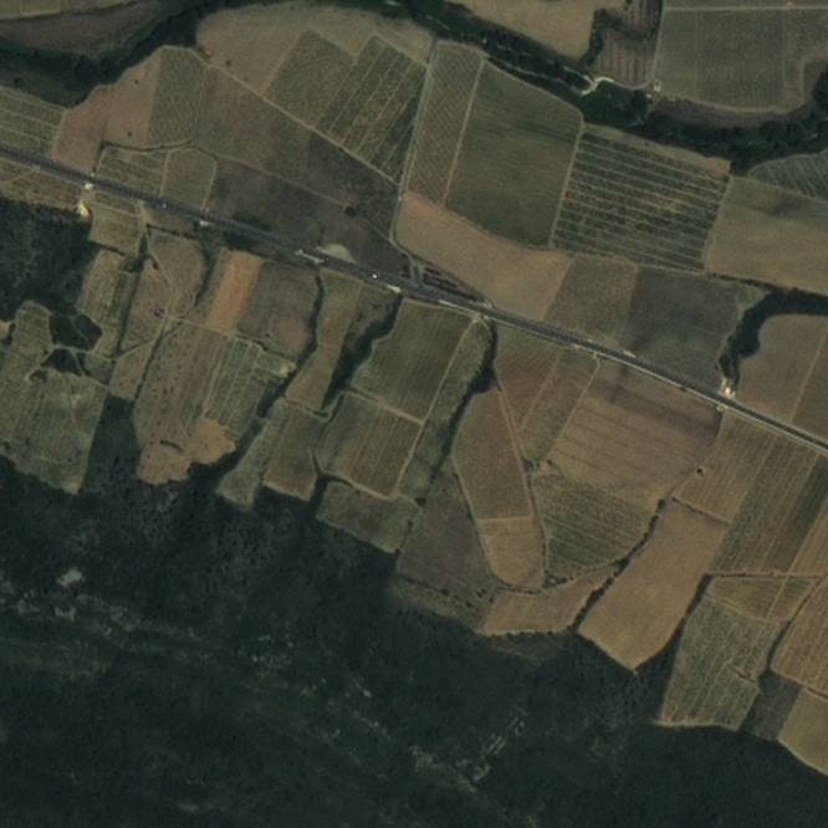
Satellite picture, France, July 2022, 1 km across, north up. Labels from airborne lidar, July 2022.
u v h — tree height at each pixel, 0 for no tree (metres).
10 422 0
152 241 0
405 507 0
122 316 0
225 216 0
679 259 0
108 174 0
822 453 0
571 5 0
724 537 0
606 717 8
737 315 0
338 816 0
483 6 0
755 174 0
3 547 5
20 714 7
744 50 0
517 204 0
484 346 0
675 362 0
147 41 9
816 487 0
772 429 0
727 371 5
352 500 0
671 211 0
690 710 0
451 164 0
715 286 0
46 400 0
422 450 0
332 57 0
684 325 0
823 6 0
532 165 0
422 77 0
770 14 0
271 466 0
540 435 0
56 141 0
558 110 0
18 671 6
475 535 0
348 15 0
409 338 0
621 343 0
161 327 0
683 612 0
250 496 0
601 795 6
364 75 0
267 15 0
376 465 0
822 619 0
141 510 10
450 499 0
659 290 0
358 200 0
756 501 0
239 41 0
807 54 0
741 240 0
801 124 7
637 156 0
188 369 0
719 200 0
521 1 0
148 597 7
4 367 0
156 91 0
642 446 0
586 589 0
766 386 0
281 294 0
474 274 0
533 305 0
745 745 8
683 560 0
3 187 0
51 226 6
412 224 0
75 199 0
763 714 0
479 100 0
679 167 0
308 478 0
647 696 8
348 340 0
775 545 0
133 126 0
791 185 0
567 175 0
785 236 0
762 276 0
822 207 0
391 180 0
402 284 0
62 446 0
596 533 0
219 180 0
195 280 0
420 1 6
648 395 0
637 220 0
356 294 0
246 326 0
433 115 0
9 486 6
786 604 0
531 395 0
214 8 18
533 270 0
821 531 0
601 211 0
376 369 0
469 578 0
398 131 0
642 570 0
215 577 6
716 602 0
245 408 0
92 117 0
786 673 0
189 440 0
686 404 0
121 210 0
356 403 0
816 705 0
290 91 0
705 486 0
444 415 0
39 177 0
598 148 0
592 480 0
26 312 0
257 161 0
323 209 0
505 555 0
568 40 0
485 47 7
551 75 18
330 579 6
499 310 0
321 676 9
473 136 0
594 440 0
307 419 0
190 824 6
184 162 0
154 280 0
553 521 0
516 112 0
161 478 0
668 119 6
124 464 11
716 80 0
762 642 0
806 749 0
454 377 0
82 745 6
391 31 0
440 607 0
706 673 0
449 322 0
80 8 0
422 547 0
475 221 0
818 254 0
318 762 0
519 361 0
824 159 0
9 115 0
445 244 0
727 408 0
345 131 0
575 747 0
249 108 0
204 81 0
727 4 0
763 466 0
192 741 7
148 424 0
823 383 0
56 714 6
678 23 0
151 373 0
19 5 0
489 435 0
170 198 0
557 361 0
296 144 0
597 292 0
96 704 6
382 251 0
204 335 0
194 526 7
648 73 0
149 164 0
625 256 0
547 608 0
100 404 0
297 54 0
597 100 7
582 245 0
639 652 0
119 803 5
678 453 0
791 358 0
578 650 8
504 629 0
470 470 0
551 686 6
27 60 14
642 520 0
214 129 0
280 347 0
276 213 0
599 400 0
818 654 0
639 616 0
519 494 0
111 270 0
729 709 0
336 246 0
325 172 0
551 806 6
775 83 0
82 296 0
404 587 0
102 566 6
